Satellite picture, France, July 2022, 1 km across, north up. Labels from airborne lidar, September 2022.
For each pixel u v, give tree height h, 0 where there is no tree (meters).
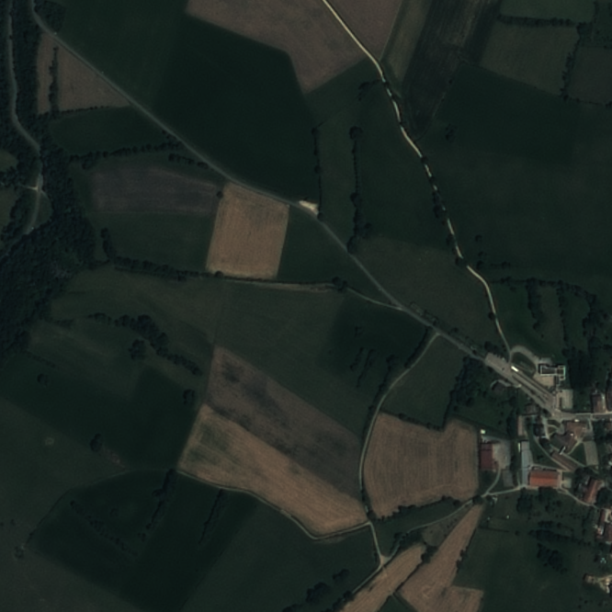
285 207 0
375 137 0
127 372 0
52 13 6
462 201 0
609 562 0
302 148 0
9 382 0
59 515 0
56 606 0
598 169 0
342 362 0
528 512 8
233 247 0
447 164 0
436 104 0
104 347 0
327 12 0
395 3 0
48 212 0
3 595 0
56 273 19
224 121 0
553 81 0
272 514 0
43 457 0
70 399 0
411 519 0
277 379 0
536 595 0
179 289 0
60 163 15
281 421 0
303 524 0
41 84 0
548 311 0
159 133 0
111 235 10
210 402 0
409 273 0
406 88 0
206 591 0
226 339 0
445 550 0
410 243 0
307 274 0
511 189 0
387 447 0
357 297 0
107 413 0
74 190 14
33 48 7
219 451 0
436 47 0
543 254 0
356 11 0
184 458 0
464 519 0
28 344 16
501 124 0
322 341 0
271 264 0
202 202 0
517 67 0
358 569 0
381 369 0
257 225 0
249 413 0
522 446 0
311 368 0
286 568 0
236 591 0
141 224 0
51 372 0
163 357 15
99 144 0
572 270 0
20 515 0
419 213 0
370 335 0
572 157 0
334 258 0
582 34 15
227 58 0
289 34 0
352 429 0
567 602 0
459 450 0
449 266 0
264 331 0
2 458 0
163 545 0
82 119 0
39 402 0
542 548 16
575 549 0
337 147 0
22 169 21
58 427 0
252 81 0
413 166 0
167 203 0
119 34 0
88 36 0
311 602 11
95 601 0
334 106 0
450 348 0
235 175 0
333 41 0
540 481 0
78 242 18
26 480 0
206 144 0
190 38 0
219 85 0
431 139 0
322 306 0
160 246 0
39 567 0
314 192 0
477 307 0
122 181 0
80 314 0
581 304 0
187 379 0
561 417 0
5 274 21
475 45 0
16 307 20
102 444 6
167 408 0
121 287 0
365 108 0
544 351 0
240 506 0
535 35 0
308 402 0
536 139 0
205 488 0
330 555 0
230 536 0
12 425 0
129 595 0
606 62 0
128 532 0
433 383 0
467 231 0
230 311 0
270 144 0
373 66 0
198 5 0
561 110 0
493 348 14
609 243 0
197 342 0
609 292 0
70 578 0
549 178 0
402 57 0
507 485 0
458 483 0
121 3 0
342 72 0
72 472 0
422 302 0
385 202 0
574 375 10
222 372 0
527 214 0
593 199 0
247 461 0
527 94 0
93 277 0
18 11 12
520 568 0
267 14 0
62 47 0
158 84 0
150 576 0
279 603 0
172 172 0
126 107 0
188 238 0
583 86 0
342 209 0
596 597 0
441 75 0
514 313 0
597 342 14
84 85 0
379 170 0
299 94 0
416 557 0
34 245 15
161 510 10
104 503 0
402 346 0
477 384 16
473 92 0
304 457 0
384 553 0
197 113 0
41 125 12
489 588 0
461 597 0
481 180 0
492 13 0
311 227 0
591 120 0
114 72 0
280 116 0
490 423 0
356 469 0
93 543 0
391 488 0
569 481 0
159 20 0
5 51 12
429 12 0
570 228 0
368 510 6
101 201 0
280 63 0
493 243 0
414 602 0
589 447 0
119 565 0
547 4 0
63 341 0
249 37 0
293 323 0
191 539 0
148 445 0
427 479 0
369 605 0
